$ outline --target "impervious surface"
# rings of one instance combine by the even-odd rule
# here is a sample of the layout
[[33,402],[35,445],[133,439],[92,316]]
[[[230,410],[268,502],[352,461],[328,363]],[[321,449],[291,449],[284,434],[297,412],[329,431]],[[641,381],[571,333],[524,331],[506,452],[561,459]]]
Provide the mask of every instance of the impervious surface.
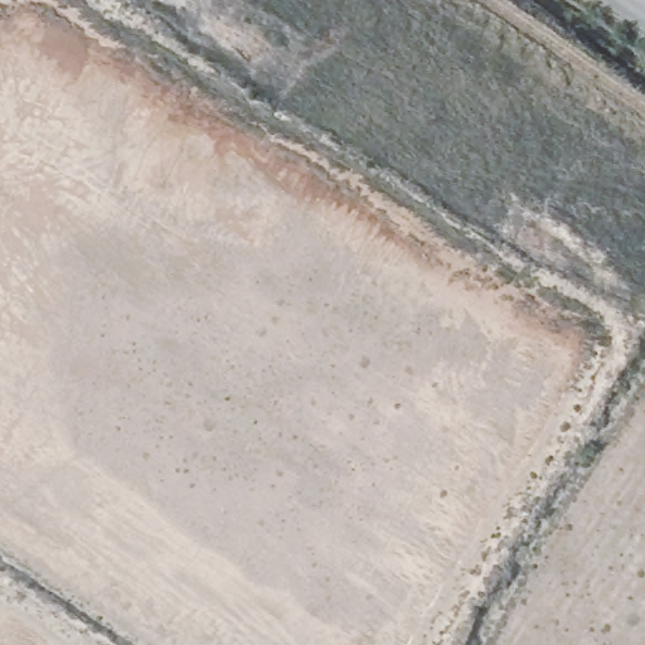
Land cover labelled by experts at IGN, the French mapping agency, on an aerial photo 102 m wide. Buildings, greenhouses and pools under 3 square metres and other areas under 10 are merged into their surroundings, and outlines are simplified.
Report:
[[637,33],[645,35],[645,0],[617,0],[612,5],[612,15],[617,20],[635,23]]

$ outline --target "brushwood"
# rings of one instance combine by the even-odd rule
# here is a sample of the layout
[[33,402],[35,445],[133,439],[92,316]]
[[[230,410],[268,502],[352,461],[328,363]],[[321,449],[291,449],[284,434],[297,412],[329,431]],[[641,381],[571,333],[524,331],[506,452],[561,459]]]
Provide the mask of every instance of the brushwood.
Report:
[[524,13],[547,23],[567,40],[579,43],[592,58],[602,60],[607,68],[612,68],[617,76],[622,76],[627,83],[645,93],[645,35],[637,33],[635,23],[617,20],[612,15],[612,5],[617,0],[514,0]]
[[605,328],[602,317],[590,305],[562,295],[557,287],[544,285],[544,300],[549,300],[554,307],[579,312],[579,350],[590,358],[610,358],[612,335]]
[[73,620],[81,620],[93,632],[106,635],[113,645],[134,645],[111,625],[103,625],[101,617],[93,617],[86,610],[76,607],[53,587],[43,585],[40,579],[23,572],[15,564],[8,564],[0,557],[0,572],[8,574],[13,582],[30,587],[38,597],[60,607]]
[[63,15],[53,28],[73,35],[83,48],[88,48],[91,38],[83,33],[83,28],[73,25]]
[[597,295],[605,302],[615,305],[622,312],[625,345],[632,350],[625,368],[617,373],[617,380],[605,393],[602,408],[592,416],[592,421],[562,423],[557,443],[567,448],[564,471],[554,479],[554,484],[549,484],[544,496],[522,504],[524,511],[534,517],[534,524],[527,537],[514,537],[509,559],[494,567],[491,577],[484,585],[486,590],[479,592],[479,605],[471,612],[471,627],[464,645],[479,645],[484,617],[501,597],[501,592],[514,585],[519,572],[537,572],[537,554],[542,552],[542,539],[549,539],[554,532],[572,532],[572,519],[567,509],[577,501],[577,494],[592,479],[600,454],[622,438],[622,431],[627,431],[627,426],[635,418],[637,403],[645,401],[645,295],[627,285],[610,287],[605,282],[597,282],[592,277],[592,265],[582,262],[559,237],[552,239],[552,249],[564,257],[567,265],[557,265],[544,257],[534,257],[529,249],[501,234],[496,244],[489,242],[479,227],[459,222],[396,174],[368,166],[365,156],[358,149],[340,146],[335,151],[333,146],[325,146],[277,118],[260,116],[254,108],[242,103],[239,96],[212,86],[186,60],[181,60],[169,48],[159,45],[136,28],[103,18],[103,13],[98,10],[91,13],[88,23],[98,33],[123,45],[139,48],[144,63],[164,81],[171,76],[171,71],[179,71],[184,81],[199,88],[207,98],[224,101],[227,106],[232,106],[232,113],[227,118],[234,121],[239,131],[254,136],[275,134],[290,139],[310,151],[323,154],[335,169],[360,174],[373,191],[378,191],[396,207],[408,209],[413,217],[428,224],[433,234],[446,239],[448,247],[474,257],[474,262],[466,270],[456,270],[456,275],[448,277],[451,285],[464,282],[466,292],[499,290],[504,285],[532,287],[539,280],[539,272],[547,270],[552,275],[559,275],[562,280],[585,287],[590,295]]

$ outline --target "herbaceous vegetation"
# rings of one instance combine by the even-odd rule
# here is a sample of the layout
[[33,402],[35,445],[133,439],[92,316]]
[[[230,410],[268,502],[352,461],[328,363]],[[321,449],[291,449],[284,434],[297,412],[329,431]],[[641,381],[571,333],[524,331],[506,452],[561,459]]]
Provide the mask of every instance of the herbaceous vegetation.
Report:
[[257,0],[270,15],[285,20],[297,33],[302,33],[305,45],[315,45],[315,40],[323,40],[333,28],[348,28],[340,50],[328,60],[307,68],[305,78],[292,88],[290,96],[280,96],[272,86],[257,83],[249,76],[247,66],[242,66],[219,45],[199,45],[186,33],[176,35],[174,40],[181,43],[189,53],[227,71],[227,76],[244,86],[252,93],[252,98],[270,103],[275,111],[287,111],[302,118],[307,126],[328,134],[340,146],[358,149],[365,156],[368,166],[396,174],[459,222],[479,227],[489,242],[496,244],[501,234],[499,229],[506,219],[509,194],[519,194],[519,199],[532,212],[549,214],[554,222],[564,224],[572,234],[577,234],[585,247],[602,249],[607,267],[627,285],[645,295],[645,116],[642,111],[627,106],[622,101],[622,93],[615,91],[602,93],[597,111],[590,111],[587,103],[579,101],[574,93],[559,93],[557,86],[552,86],[547,78],[552,71],[559,71],[564,86],[572,86],[572,63],[554,53],[547,40],[524,30],[506,15],[501,20],[491,18],[491,0]]

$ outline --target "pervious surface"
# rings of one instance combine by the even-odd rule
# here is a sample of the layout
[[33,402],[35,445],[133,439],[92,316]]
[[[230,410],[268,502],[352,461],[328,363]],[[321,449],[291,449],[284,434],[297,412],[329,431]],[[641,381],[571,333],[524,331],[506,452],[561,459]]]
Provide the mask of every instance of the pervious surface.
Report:
[[635,418],[627,426],[627,431],[622,431],[622,438],[600,454],[592,479],[577,494],[577,501],[567,509],[572,519],[572,532],[554,532],[549,539],[542,539],[542,552],[537,554],[537,572],[519,572],[514,585],[501,592],[501,597],[484,617],[479,645],[645,645],[645,401],[637,403]]
[[567,265],[564,257],[552,249],[552,239],[559,237],[582,262],[592,265],[592,277],[597,282],[605,282],[610,287],[627,285],[607,267],[602,249],[585,247],[577,234],[572,234],[564,224],[554,222],[549,214],[532,212],[519,199],[519,194],[509,194],[506,219],[499,229],[501,234],[529,249],[534,257],[544,257],[557,265]]
[[[169,48],[181,60],[186,60],[212,86],[239,96],[242,103],[254,108],[260,116],[277,118],[325,146],[333,146],[335,151],[340,146],[328,134],[307,126],[302,118],[287,111],[275,111],[270,103],[252,98],[252,93],[244,86],[227,76],[227,71],[189,53],[181,43],[174,40],[176,35],[186,33],[199,45],[219,45],[242,66],[247,66],[249,76],[257,83],[272,86],[280,96],[290,96],[292,88],[305,78],[307,68],[328,60],[340,50],[348,28],[333,28],[323,40],[315,40],[315,45],[305,45],[302,33],[297,33],[285,20],[270,15],[257,0],[0,0],[0,557],[8,564],[15,564],[23,572],[40,579],[43,585],[53,587],[76,607],[86,610],[93,617],[101,617],[103,625],[111,625],[134,645],[464,645],[471,627],[471,612],[479,605],[479,592],[486,590],[484,585],[491,577],[494,567],[509,559],[514,537],[527,537],[534,524],[534,517],[524,511],[522,504],[544,496],[549,484],[554,484],[554,479],[564,471],[567,448],[557,443],[562,423],[592,421],[592,416],[602,408],[605,393],[617,380],[617,373],[625,368],[632,350],[625,345],[622,312],[615,305],[605,302],[597,295],[590,295],[585,287],[562,280],[559,275],[552,275],[547,270],[539,272],[539,280],[532,287],[504,285],[499,290],[466,292],[464,282],[451,285],[448,277],[456,275],[456,270],[466,270],[474,262],[474,257],[448,247],[446,239],[433,234],[428,224],[413,217],[408,209],[396,207],[378,191],[373,191],[360,174],[335,169],[323,154],[310,151],[290,139],[275,134],[254,136],[239,131],[234,121],[227,118],[232,113],[232,106],[227,106],[224,101],[207,98],[199,88],[184,81],[179,71],[171,71],[171,76],[164,81],[144,63],[139,48],[123,45],[98,33],[88,23],[91,13],[98,10],[103,13],[103,18],[136,28],[159,45]],[[83,48],[73,35],[53,28],[63,15],[73,25],[83,28],[83,33],[91,38],[88,48]],[[549,300],[544,300],[544,285],[557,287],[562,295],[590,305],[602,317],[605,328],[612,335],[610,358],[590,358],[579,350],[579,312],[554,307]]]
[[81,620],[73,620],[60,607],[38,597],[30,587],[13,582],[8,574],[0,572],[0,645],[113,645],[106,635],[93,632]]
[[567,40],[547,23],[524,13],[514,0],[491,0],[491,18],[501,20],[506,15],[524,30],[547,40],[554,53],[572,63],[572,86],[564,86],[559,71],[552,71],[547,78],[552,86],[557,86],[559,93],[574,93],[579,101],[587,103],[590,111],[597,111],[602,93],[615,91],[622,93],[622,101],[627,106],[642,111],[645,116],[645,93],[627,83],[622,76],[617,76],[612,68],[607,68],[602,60],[592,58],[579,43]]

